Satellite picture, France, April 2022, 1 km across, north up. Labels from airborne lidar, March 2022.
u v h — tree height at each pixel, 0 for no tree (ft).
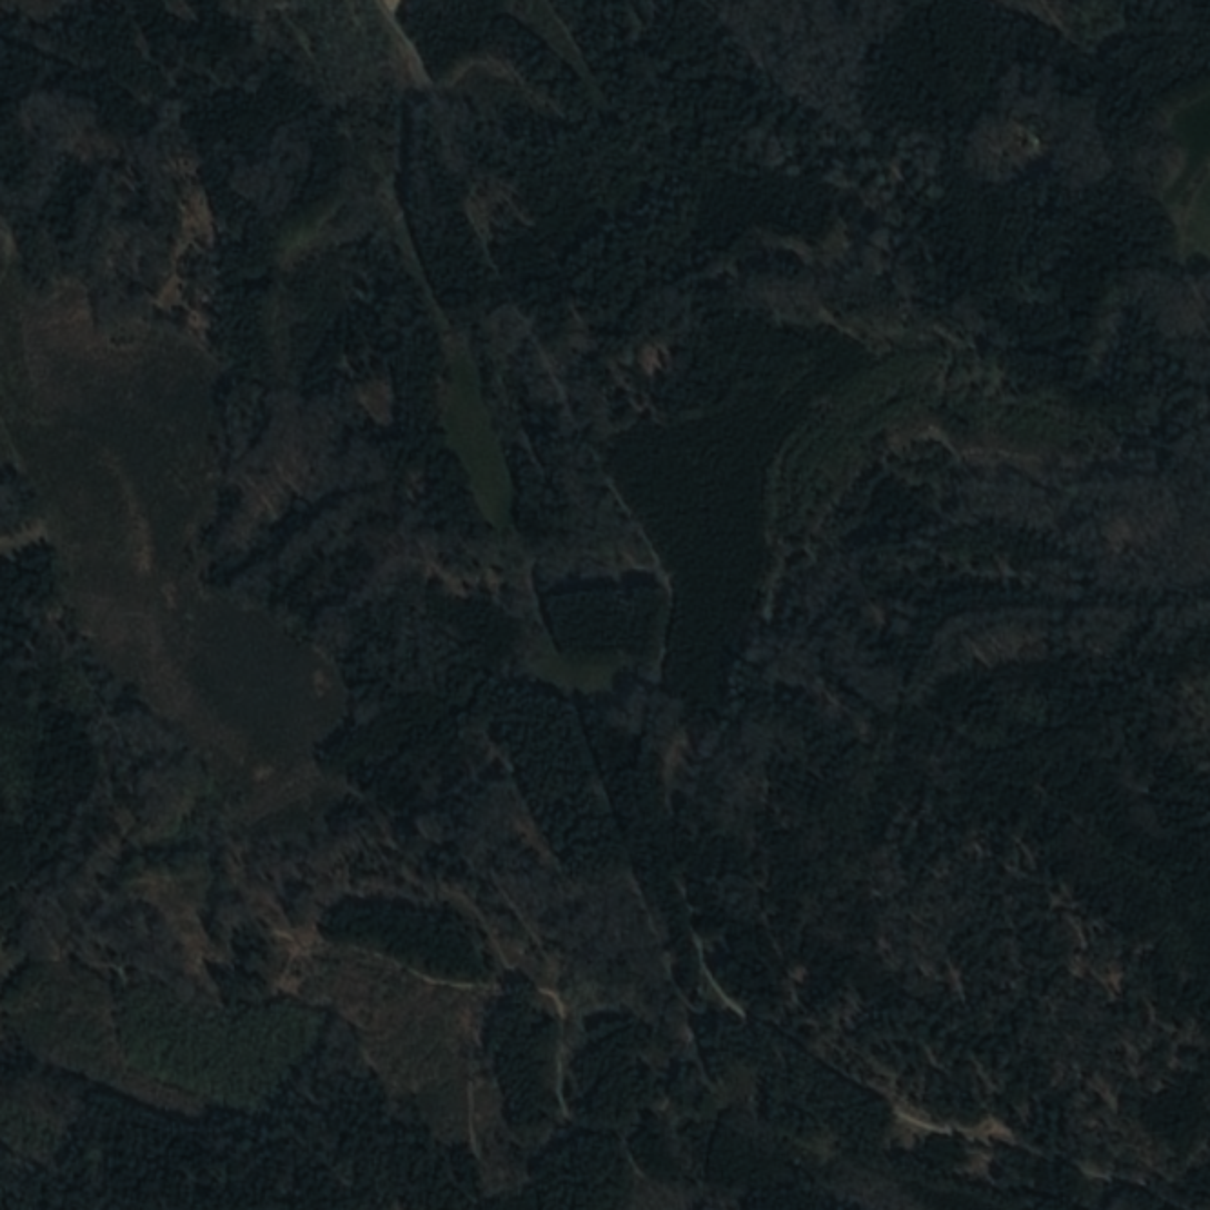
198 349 102
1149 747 56
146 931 136
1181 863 52
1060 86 92
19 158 76
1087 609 59
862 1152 96
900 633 95
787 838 38
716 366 63
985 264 75
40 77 85
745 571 35
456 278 99
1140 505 104
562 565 84
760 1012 94
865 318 80
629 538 83
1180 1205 55
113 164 43
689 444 36
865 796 45
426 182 87
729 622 33
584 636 100
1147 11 92
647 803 81
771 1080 103
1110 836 51
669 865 84
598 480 99
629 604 84
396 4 0
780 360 63
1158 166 73
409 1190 80
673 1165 47
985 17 78
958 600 64
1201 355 73
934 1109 49
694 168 65
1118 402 70
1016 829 30
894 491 30
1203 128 0
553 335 70
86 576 0
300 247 56
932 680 69
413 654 85
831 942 28
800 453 36
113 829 55
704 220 49
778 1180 39
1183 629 80
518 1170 58
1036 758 65
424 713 73
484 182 75
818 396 28
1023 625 84
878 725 52
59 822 31
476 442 0
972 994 55
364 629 78
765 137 108
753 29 113
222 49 58
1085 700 54
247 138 66
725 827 52
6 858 59
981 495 97
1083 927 75
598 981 69
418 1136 36
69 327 0
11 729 52
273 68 47
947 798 46
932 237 63
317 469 111
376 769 53
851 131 103
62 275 87
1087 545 87
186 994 108
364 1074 94
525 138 74
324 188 92
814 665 96
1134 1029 74
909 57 60
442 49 77
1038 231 102
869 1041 80
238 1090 52
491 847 112
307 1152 82
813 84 113
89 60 60
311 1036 58
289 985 0
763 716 98
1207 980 35
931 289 80
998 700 43
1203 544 91
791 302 81
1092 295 64
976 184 70
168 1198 74
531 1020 102
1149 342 93
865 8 102
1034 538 62
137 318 114
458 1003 20
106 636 0
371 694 104
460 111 96
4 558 0
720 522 37
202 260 23
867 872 23
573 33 96
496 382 93
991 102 56
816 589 73
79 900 118
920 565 83
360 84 51
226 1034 58
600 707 23
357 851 108
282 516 103
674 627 31
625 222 39
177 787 117
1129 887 49
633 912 96
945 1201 36
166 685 0
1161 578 88
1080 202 114
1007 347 101
